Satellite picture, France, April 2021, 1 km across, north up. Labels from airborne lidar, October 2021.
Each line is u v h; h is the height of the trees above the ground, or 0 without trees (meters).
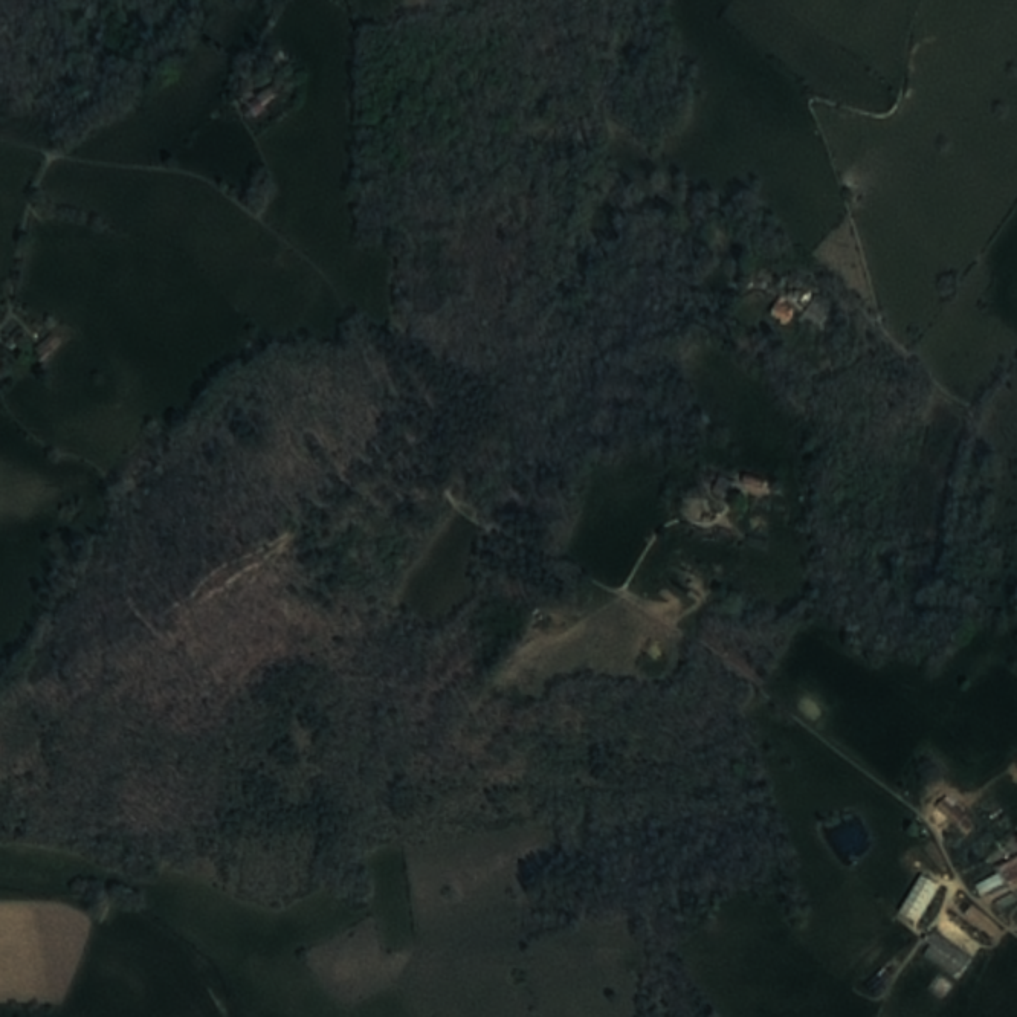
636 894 20
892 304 0
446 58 24
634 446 19
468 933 0
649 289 17
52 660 12
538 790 13
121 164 0
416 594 0
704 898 15
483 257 9
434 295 9
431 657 18
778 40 0
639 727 20
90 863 16
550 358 17
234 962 0
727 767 25
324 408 15
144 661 17
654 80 29
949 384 0
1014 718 0
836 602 24
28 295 0
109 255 0
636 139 18
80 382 0
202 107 0
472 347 16
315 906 0
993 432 0
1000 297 0
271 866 0
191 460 12
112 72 26
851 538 14
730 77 0
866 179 0
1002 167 0
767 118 0
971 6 0
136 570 10
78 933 0
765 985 0
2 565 0
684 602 0
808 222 0
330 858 14
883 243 0
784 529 0
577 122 19
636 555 0
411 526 21
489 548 15
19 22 17
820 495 22
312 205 0
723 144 0
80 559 28
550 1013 0
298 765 12
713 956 0
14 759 15
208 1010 0
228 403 21
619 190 17
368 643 16
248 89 12
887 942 0
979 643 0
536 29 18
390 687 22
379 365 21
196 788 15
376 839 13
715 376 0
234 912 0
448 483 26
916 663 14
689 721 19
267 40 11
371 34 21
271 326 0
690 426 20
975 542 13
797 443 7
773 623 17
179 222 0
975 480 10
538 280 17
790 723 13
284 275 0
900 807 0
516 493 15
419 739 12
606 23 21
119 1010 0
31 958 0
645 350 20
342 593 15
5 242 0
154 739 18
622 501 0
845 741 0
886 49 0
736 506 20
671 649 0
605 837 19
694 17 0
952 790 0
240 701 11
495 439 32
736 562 0
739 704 20
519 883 0
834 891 0
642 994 14
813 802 0
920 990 0
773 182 0
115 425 0
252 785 10
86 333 0
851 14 0
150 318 0
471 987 0
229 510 20
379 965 0
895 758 0
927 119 0
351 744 23
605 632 0
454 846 0
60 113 21
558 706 17
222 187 15
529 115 10
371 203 18
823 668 0
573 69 24
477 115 20
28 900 0
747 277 8
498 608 7
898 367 15
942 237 0
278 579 20
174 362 0
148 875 13
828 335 10
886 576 7
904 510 6
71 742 13
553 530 23
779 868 17
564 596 20
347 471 21
